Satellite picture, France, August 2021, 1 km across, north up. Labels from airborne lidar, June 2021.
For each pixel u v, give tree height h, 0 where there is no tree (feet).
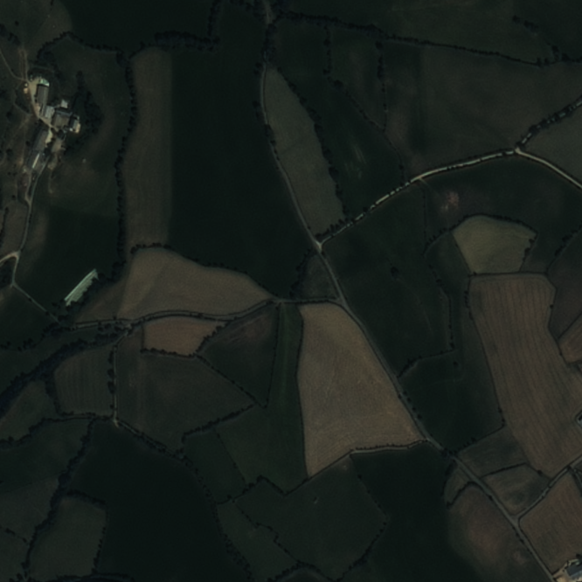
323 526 0
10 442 35
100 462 0
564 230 0
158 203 0
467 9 0
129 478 0
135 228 0
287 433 0
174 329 0
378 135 0
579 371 0
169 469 0
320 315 0
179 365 0
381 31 33
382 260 0
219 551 0
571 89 0
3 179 0
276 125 0
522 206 0
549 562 0
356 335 0
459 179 0
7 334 0
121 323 24
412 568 0
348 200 0
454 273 0
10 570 0
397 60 0
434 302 0
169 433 0
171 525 0
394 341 0
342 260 0
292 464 0
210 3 0
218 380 0
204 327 0
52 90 0
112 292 0
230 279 0
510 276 0
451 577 0
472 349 0
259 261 0
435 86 0
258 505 0
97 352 0
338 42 0
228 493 0
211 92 0
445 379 0
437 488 0
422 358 23
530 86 0
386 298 0
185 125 0
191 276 0
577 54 0
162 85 0
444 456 57
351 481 0
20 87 0
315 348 0
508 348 0
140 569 0
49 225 0
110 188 0
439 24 0
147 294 0
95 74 0
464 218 20
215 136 0
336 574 0
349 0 0
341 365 0
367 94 0
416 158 0
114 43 0
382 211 0
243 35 0
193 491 0
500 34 0
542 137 0
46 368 44
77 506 0
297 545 0
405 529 0
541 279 0
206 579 0
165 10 0
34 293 0
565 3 0
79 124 0
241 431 0
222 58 0
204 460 0
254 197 0
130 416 0
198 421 0
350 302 0
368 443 0
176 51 45
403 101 0
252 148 0
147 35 0
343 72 0
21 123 0
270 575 0
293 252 0
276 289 0
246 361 0
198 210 0
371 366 0
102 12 0
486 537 0
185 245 0
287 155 0
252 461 0
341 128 0
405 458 0
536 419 0
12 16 0
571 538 0
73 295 0
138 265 0
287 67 0
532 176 0
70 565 0
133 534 0
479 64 0
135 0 0
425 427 0
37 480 0
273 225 0
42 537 0
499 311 0
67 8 0
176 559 0
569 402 0
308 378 0
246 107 0
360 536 0
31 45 0
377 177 0
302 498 0
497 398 0
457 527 0
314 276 0
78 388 0
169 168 0
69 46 0
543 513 0
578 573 0
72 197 0
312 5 0
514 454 0
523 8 0
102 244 0
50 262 0
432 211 0
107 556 0
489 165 0
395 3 0
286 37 0
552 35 0
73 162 0
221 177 0
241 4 55
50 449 0
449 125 0
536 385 0
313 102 0
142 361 0
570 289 0
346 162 0
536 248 0
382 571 0
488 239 0
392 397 0
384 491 0
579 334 0
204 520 0
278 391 0
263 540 0
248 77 0
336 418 0
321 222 0
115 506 0
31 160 0
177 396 0
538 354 0
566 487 0
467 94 0
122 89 0
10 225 0
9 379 0
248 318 0
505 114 0
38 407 0
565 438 0
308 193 0
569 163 0
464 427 0
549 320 0
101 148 0
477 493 0
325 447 0
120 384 0
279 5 24
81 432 0
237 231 0
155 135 0
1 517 0
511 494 0
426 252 18
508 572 0
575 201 0
